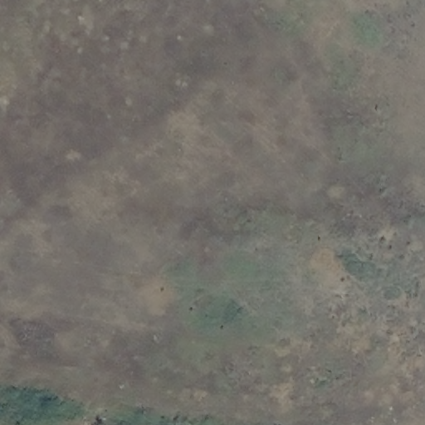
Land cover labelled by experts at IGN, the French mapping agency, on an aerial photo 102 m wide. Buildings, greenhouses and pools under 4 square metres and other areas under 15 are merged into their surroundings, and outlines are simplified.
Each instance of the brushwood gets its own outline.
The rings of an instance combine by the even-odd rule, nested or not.
[[[75,400],[68,402],[66,398],[55,397],[45,388],[15,385],[8,387],[3,383],[0,385],[0,425],[65,425],[68,420],[83,417],[83,403]]]
[[[166,417],[151,413],[151,408],[139,407],[136,408],[136,412],[120,410],[113,418],[105,417],[101,420],[100,417],[95,417],[93,425],[234,425],[226,422],[222,415],[216,420],[209,420],[209,415],[196,418],[186,415]]]

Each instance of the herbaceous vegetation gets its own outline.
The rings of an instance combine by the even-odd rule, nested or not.
[[[8,387],[15,385],[45,388],[55,397],[66,398],[68,402],[75,400],[83,403],[83,417],[68,420],[65,425],[93,425],[95,417],[100,417],[101,420],[105,417],[113,418],[120,410],[136,412],[136,408],[139,407],[151,408],[151,413],[166,417],[186,415],[196,418],[209,415],[209,420],[216,420],[222,415],[226,422],[234,425],[425,425],[425,0],[0,0],[0,385],[3,383]]]

